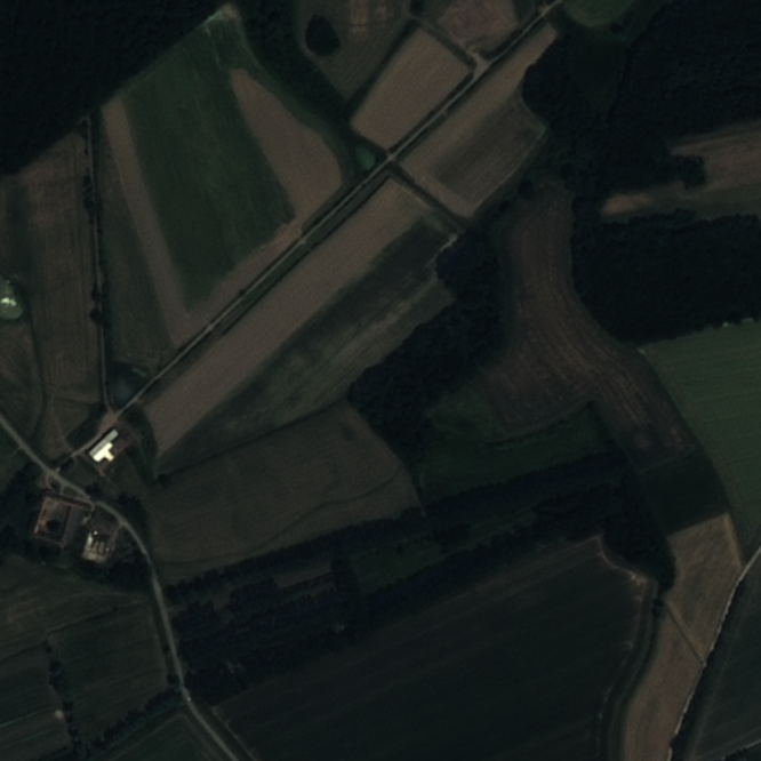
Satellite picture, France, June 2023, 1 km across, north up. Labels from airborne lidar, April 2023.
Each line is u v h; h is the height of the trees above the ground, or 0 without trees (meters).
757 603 0
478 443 0
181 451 0
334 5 0
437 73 0
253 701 0
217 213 0
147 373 0
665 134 13
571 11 0
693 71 22
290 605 0
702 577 0
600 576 0
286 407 0
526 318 0
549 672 0
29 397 0
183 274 0
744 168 0
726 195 0
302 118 0
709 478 0
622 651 0
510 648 0
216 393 0
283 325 0
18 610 0
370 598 0
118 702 0
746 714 0
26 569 0
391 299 0
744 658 0
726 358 0
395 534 21
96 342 0
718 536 0
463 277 19
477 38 0
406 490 0
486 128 0
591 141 18
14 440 0
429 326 7
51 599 0
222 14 0
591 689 0
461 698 0
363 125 0
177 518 0
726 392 0
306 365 0
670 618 0
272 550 0
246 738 0
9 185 0
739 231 18
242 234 0
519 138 0
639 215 0
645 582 0
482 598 0
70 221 0
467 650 0
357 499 0
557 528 26
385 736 0
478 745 0
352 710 0
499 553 26
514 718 0
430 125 0
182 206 0
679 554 0
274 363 0
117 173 0
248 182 0
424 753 0
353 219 0
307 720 0
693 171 18
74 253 0
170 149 0
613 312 18
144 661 0
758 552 0
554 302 0
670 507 0
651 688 0
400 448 26
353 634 34
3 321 0
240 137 0
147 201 0
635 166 19
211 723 0
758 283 15
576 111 20
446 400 0
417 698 0
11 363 0
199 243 0
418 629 0
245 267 0
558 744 0
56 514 0
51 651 11
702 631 0
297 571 0
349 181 0
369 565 0
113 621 0
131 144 0
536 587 0
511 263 0
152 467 0
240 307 0
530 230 0
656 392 0
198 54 0
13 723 0
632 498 25
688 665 0
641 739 0
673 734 0
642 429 0
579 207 19
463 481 0
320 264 0
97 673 0
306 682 0
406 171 0
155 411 0
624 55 0
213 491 0
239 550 0
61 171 0
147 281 0
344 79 0
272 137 0
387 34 0
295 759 0
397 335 0
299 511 0
